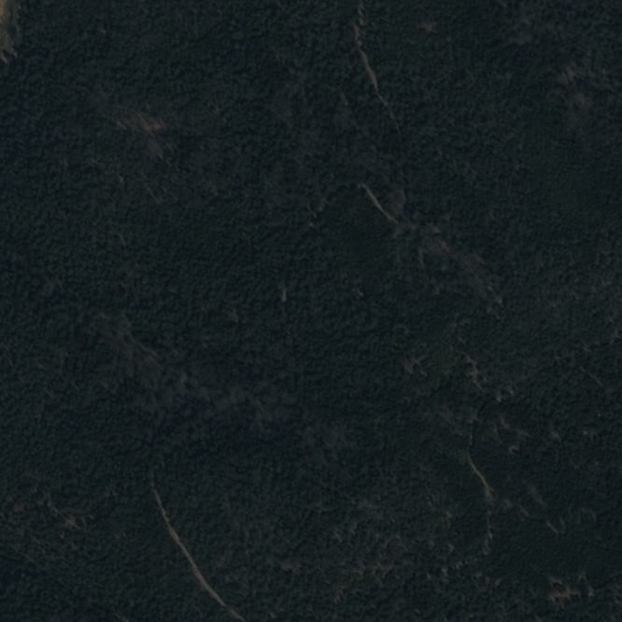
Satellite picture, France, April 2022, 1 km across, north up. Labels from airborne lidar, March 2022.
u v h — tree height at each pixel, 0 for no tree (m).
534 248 23
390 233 12
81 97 19
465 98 12
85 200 27
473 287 30
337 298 28
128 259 22
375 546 23
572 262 20
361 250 12
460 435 16
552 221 14
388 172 30
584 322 16
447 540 11
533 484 19
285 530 15
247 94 21
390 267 13
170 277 23
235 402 28
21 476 29
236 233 26
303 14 27
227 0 24
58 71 23
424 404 20
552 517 16
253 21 30
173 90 20
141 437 28
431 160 19
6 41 0
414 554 18
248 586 20
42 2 9
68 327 28
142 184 24
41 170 19
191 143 16
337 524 12
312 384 21
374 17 8
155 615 17
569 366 22
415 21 10
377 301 12
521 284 23
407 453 16
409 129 23
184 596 13
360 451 17
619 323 22
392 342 22
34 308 31
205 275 27
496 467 22
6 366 25
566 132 14
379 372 15
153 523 22
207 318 19
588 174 10
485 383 26
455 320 12
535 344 19
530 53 20
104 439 30
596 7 7
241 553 15
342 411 15
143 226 20
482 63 28
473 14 15
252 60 31
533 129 11
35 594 36
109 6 9
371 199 11
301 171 21
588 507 18
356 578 14
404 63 8
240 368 18
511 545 18
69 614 33
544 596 10
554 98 16
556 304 25
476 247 21
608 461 19
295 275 26
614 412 28
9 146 19
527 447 17
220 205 30
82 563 29
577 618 21
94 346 20
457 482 21
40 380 31
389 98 28
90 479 23
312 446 25
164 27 18
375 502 19
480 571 7
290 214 28
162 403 28
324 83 22
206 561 15
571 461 23
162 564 21
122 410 34
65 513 24
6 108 22
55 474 27
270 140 20
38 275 17
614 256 9
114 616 28
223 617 22
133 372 26
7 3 0
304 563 21
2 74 24
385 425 17
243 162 23
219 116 25
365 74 28
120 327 27
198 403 11
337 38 28
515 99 13
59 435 26
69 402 23
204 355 15
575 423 36
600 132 15
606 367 19
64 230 28
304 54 21
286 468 13
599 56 26
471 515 15
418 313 16
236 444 22
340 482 18
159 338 11
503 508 15
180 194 19
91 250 32
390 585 12
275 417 22
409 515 24
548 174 10
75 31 9
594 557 16
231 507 22
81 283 30
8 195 23
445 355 12
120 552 26
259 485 25
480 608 26
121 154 21
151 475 27
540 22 24
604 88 19
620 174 13
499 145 14
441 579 24
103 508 9
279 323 30
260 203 26
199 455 11
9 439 28
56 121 21
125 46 20
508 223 16
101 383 23
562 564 14
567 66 18
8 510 8
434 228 29
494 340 19
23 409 31
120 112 27
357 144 23
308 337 22
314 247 32
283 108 28
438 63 7
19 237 29
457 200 22
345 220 11
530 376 21
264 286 31
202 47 11
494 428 20
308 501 18
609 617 17
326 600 12
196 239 22
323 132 23
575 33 26
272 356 31
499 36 9
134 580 21
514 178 14
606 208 12
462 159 20
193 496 21
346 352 12
